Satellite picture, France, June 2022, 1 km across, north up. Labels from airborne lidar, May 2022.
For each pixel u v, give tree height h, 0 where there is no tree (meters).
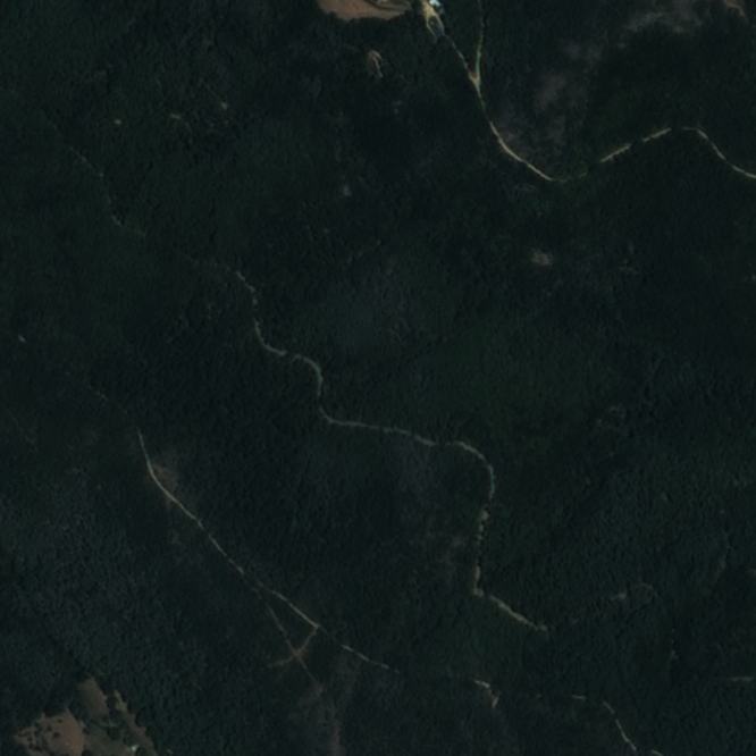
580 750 10
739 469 16
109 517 13
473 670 7
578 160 13
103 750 0
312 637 6
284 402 15
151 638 15
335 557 10
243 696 17
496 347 12
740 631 18
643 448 22
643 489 19
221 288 14
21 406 11
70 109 18
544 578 15
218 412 18
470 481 14
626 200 15
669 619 11
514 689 13
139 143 17
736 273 7
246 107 18
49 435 6
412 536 8
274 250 12
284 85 14
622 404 21
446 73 15
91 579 15
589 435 11
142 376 14
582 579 18
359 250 18
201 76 16
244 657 11
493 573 19
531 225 10
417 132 6
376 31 11
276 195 15
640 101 7
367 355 13
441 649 13
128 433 6
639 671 7
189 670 8
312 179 13
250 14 20
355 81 15
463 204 13
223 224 15
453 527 13
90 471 10
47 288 16
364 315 13
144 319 15
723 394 23
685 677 12
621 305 16
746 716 19
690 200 10
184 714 15
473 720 10
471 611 12
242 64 17
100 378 15
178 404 15
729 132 9
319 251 16
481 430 13
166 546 7
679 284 7
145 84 17
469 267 17
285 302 19
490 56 7
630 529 16
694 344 9
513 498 8
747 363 15
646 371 19
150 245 16
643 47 9
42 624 6
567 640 18
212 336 12
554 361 17
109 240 15
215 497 10
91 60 13
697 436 21
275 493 16
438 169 8
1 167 15
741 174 8
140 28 21
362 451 14
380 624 15
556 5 10
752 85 8
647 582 14
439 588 14
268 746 13
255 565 14
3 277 16
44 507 11
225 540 7
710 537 22
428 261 20
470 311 19
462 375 13
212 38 17
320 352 14
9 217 16
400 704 10
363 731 9
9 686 16
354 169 14
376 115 10
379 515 10
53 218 12
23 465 10
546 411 11
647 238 16
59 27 14
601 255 12
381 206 19
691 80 7
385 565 11
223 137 11
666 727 16
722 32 8
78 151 10
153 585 10
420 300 14
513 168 12
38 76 16
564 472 11
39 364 12
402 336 12
